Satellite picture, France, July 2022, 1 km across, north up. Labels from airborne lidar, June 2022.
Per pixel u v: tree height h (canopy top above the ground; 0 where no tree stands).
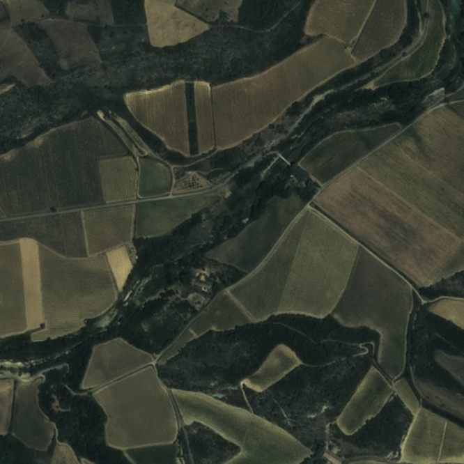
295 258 0
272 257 0
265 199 13
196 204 0
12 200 0
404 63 0
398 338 0
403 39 13
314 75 0
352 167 0
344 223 0
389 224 0
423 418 0
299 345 8
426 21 0
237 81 0
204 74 6
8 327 0
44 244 0
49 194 0
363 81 7
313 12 0
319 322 8
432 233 0
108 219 0
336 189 0
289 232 0
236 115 0
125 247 0
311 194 8
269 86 0
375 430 6
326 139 0
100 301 0
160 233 0
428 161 0
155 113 0
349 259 0
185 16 0
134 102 0
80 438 14
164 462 0
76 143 0
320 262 0
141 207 0
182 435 7
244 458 0
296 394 11
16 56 0
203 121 0
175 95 0
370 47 0
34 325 0
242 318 0
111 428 0
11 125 9
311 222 0
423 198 0
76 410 11
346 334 6
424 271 0
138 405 0
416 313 7
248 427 0
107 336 10
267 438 0
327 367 8
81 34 0
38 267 0
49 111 6
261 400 7
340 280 0
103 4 0
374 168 0
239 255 0
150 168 0
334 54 0
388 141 0
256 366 9
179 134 0
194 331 0
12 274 0
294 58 0
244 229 0
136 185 0
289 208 0
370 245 0
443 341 9
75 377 19
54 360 9
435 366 6
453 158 0
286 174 10
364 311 0
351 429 0
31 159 0
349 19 0
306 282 0
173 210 0
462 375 0
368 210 0
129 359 0
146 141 10
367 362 7
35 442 0
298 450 0
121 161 0
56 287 0
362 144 0
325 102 11
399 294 0
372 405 0
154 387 0
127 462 12
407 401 0
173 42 0
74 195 0
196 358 6
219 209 0
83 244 0
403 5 0
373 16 0
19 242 0
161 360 0
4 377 0
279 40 7
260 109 0
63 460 0
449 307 0
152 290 0
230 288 0
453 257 0
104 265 0
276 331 8
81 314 0
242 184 15
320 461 10
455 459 0
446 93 9
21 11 0
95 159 0
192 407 0
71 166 0
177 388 7
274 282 0
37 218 0
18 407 0
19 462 6
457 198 0
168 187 0
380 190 0
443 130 0
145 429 0
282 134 18
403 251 0
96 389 0
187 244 0
